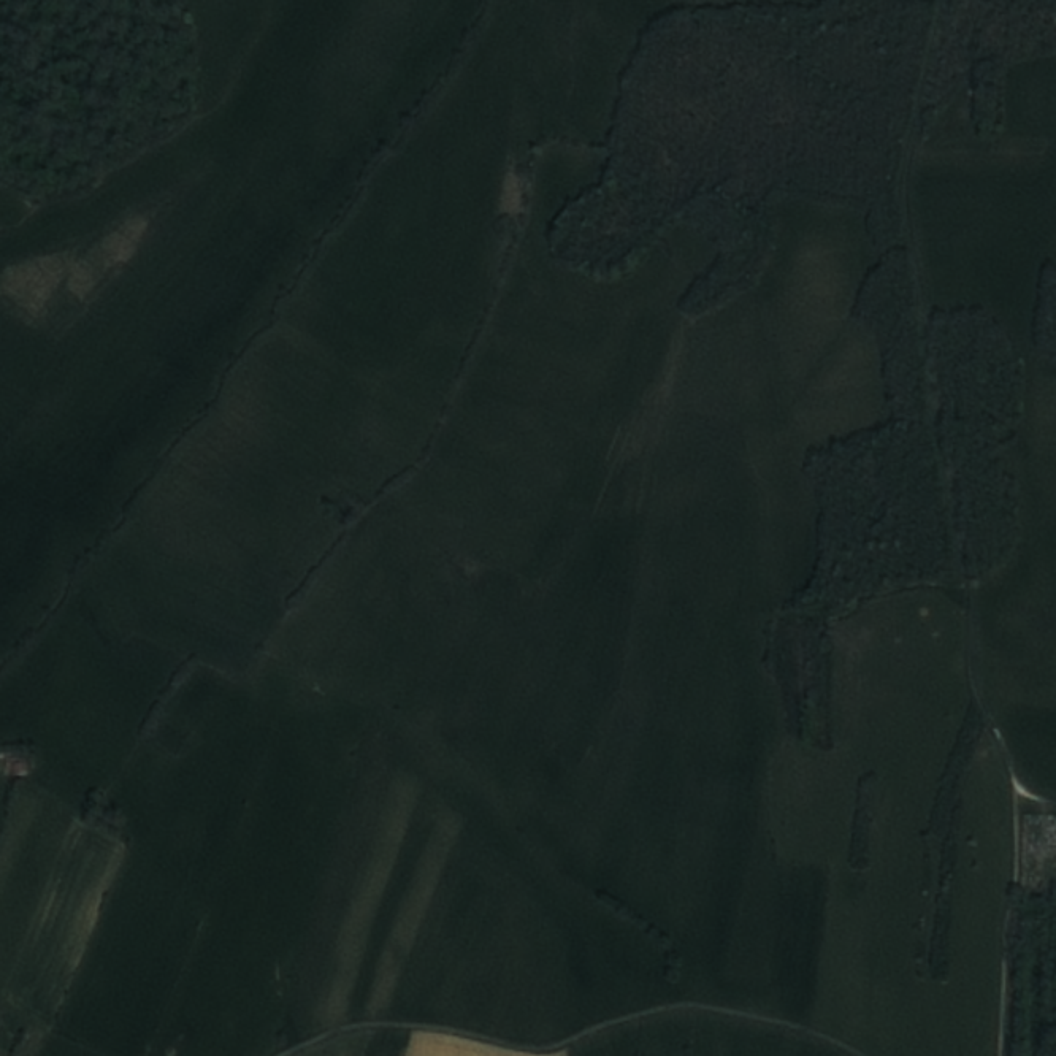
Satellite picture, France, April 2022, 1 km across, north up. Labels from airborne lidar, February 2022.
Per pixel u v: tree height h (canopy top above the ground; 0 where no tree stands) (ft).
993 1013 0
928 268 0
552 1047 0
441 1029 0
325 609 0
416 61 0
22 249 0
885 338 37
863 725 0
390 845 0
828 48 37
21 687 0
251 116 0
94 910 0
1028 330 0
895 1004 0
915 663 0
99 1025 0
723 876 0
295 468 0
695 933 0
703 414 0
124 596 0
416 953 0
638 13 0
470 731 0
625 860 0
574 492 0
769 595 0
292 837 0
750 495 0
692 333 0
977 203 0
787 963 0
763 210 50
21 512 0
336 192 0
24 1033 21
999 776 0
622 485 0
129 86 97
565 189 0
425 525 0
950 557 59
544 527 0
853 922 0
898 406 52
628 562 0
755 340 0
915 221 0
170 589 0
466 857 0
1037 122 0
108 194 0
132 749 0
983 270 0
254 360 0
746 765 0
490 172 0
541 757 0
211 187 0
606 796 0
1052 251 0
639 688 0
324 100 0
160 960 0
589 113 0
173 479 0
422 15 0
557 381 0
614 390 0
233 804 0
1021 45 48
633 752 0
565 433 0
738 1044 0
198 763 0
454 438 0
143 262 0
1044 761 0
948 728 0
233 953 0
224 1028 0
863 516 53
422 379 0
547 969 0
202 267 0
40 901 0
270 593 0
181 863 0
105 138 77
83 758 0
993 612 0
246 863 0
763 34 44
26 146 96
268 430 0
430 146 0
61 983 0
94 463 0
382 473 0
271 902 0
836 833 0
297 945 0
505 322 0
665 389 0
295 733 0
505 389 0
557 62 0
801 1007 0
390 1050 0
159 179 0
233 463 0
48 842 0
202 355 0
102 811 80
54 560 0
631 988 0
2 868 0
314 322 0
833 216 0
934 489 64
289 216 0
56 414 0
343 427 0
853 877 0
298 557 0
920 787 0
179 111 72
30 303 0
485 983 0
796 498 0
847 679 0
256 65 0
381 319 0
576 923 0
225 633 0
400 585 0
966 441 70
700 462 0
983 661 0
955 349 64
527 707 0
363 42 0
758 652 0
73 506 0
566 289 0
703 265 0
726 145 38
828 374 0
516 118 0
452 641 0
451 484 0
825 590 51
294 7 0
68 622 0
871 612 0
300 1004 0
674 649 0
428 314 0
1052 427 0
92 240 0
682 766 0
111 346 0
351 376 0
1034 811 0
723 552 0
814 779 0
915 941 0
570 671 0
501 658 0
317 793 0
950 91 40
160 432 0
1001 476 66
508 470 0
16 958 0
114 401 0
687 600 0
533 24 0
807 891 0
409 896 0
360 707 0
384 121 0
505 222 19
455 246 0
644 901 0
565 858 0
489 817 0
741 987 0
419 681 0
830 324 0
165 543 0
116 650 0
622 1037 0
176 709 0
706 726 0
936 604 0
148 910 0
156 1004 0
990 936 0
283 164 0
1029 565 0
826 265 0
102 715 0
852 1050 0
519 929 0
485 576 0
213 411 33
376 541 0
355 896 0
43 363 0
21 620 0
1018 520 56
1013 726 0
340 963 0
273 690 0
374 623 0
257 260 0
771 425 0
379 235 0
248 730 0
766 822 0
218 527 0
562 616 0
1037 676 0
